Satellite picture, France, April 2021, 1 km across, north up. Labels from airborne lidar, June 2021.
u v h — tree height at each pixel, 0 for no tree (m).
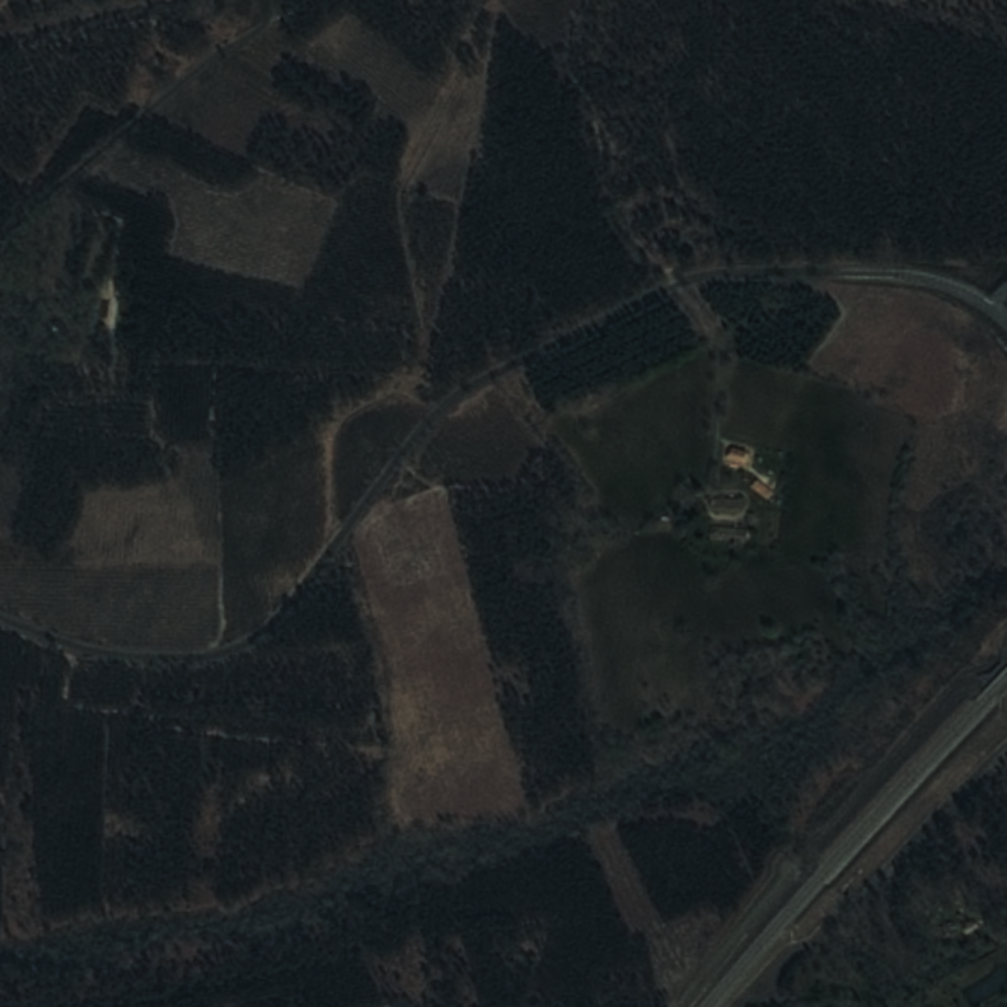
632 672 0
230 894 10
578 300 16
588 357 15
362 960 17
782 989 10
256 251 0
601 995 10
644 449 0
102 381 16
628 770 15
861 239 18
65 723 12
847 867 0
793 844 22
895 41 14
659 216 17
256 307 8
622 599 0
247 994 18
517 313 20
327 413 17
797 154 18
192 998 20
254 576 0
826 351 0
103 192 9
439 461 0
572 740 20
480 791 0
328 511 0
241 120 0
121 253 9
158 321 10
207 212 0
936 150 18
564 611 17
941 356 0
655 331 14
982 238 20
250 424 16
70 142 7
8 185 18
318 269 7
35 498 17
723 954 0
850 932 17
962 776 0
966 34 17
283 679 9
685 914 12
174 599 0
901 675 17
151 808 16
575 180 17
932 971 18
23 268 21
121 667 8
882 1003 10
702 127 14
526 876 13
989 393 0
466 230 15
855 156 19
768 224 17
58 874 12
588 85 17
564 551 17
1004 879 9
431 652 0
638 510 0
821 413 0
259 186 0
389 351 19
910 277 0
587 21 14
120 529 0
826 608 0
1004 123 16
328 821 18
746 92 14
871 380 0
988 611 15
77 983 23
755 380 0
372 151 14
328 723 18
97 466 16
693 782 8
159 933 14
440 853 11
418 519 0
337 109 0
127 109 8
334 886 10
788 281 10
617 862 0
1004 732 0
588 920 11
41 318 16
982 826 7
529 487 19
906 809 0
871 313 0
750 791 13
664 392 0
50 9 18
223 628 0
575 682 21
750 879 11
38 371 19
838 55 19
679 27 13
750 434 0
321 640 18
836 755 18
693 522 15
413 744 0
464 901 12
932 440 0
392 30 19
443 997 15
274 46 0
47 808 10
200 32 21
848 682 16
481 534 20
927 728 0
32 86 18
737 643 0
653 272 16
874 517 0
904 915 17
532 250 16
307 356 21
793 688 13
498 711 0
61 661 11
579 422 0
